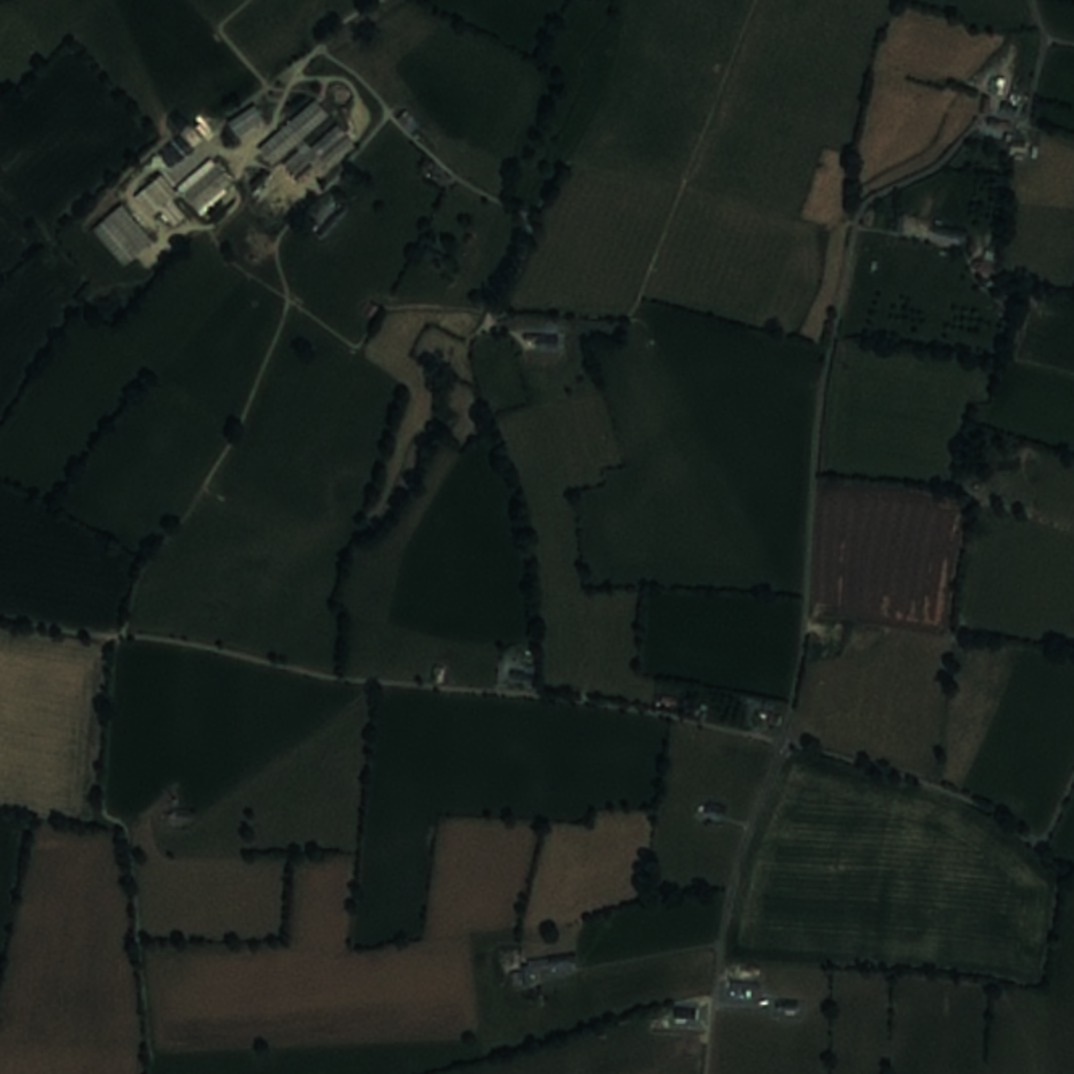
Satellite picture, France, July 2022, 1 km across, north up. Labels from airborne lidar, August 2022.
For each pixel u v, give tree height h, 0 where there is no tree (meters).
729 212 0
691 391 0
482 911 0
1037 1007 0
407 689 0
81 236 0
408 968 0
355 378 0
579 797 0
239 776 0
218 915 0
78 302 7
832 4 0
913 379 0
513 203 16
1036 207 0
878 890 0
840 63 0
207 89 0
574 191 0
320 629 0
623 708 7
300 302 0
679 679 8
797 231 0
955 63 0
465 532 0
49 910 0
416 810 0
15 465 0
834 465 0
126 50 0
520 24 0
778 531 0
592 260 0
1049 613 0
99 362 0
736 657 0
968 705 0
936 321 0
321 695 0
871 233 0
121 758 0
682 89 0
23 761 0
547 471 0
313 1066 0
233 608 0
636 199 0
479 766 0
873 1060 0
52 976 0
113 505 0
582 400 0
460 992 0
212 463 0
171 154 0
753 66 0
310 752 0
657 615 0
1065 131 6
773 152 0
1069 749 0
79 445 0
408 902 0
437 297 0
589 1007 0
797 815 0
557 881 0
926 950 0
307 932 0
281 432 0
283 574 0
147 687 0
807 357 0
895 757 0
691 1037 0
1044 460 0
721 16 0
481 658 0
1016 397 0
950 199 0
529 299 0
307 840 0
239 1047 0
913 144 0
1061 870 15
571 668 0
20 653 0
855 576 0
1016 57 0
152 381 18
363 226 0
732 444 0
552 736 0
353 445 0
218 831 0
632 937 0
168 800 0
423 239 7
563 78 10
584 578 11
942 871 0
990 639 10
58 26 0
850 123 0
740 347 0
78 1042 0
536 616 7
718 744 0
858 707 0
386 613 0
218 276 0
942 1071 0
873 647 0
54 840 0
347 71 0
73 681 0
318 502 0
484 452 0
